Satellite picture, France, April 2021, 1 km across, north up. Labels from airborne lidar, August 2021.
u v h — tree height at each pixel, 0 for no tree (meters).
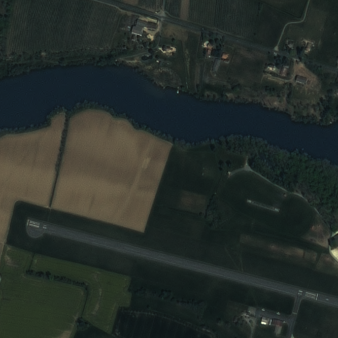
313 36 0
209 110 0
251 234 0
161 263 0
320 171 27
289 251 0
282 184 25
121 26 0
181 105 0
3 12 0
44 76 0
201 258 0
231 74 0
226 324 11
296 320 0
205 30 12
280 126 0
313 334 0
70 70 0
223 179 0
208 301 0
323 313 0
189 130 0
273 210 0
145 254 0
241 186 0
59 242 0
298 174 25
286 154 21
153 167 0
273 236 0
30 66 9
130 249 0
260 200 0
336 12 0
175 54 12
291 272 0
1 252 0
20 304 0
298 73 0
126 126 0
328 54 0
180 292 0
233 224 0
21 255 0
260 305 0
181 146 19
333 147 0
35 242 0
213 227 13
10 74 16
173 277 0
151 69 0
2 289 0
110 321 0
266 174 25
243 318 10
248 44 0
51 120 13
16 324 0
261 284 0
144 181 0
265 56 0
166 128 0
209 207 9
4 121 0
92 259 0
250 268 0
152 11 0
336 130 0
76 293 0
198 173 0
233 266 0
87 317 0
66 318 0
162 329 0
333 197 19
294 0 0
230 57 0
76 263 0
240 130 0
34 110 0
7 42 19
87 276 0
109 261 0
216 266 0
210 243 0
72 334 0
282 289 0
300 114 7
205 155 0
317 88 0
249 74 0
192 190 0
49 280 18
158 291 0
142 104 0
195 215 0
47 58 16
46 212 0
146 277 0
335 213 24
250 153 19
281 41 0
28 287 0
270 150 22
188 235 0
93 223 0
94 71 0
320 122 13
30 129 13
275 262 0
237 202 0
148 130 10
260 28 0
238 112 0
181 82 0
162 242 0
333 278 0
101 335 0
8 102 0
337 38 0
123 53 17
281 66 14
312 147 0
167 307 0
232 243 0
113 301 0
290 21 0
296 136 0
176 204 0
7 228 0
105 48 8
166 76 0
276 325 0
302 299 0
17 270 0
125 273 0
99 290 0
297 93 0
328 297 0
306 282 0
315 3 0
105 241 0
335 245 20
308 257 0
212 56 8
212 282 0
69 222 0
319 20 0
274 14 0
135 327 0
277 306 0
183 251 0
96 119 0
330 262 0
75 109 13
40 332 0
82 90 0
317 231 0
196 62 0
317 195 26
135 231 0
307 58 13
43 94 0
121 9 0
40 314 0
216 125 0
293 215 0
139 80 0
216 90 0
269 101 0
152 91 0
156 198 0
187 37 0
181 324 0
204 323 10
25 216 0
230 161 0
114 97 0
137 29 0
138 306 0
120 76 0
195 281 0
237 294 0
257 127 0
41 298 0
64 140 15
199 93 10
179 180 0
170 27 0
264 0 0
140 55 0
